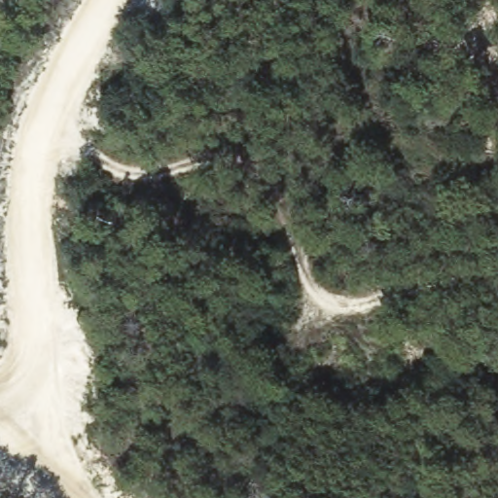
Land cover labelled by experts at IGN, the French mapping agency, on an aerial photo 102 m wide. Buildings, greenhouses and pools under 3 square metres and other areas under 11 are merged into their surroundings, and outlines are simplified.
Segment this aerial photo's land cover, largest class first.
<instances>
[{"label":"coniferous trees","instance_id":"1","mask_svg":"<svg viewBox=\"0 0 498 498\"><path fill-rule=\"evenodd\" d=\"M80 0H0V136L8 123H12L16 107L14 91L18 84L23 82V76L19 72L21 62H25L27 58H35L41 51L51 49L54 43L60 41L64 21L72 18ZM484 2H490L496 10V21L484 29H469L467 19L475 18L482 10ZM113 53L119 54L121 64L117 66L111 78L97 80L101 97L99 105L95 107L99 121L113 126L115 130H130L134 134V142H138L144 156L154 152L160 144L165 148H173L179 140H200L204 148L200 150L195 161H198V169L187 173L171 175L169 169L161 167L154 173H144L140 179H117L103 169L97 156L80 158L74 173L66 175L62 181L76 191V198L82 202L80 216L84 228H80L76 233H66L54 245L56 251L70 259V270L74 272V286H89L97 302L105 300L107 307H101L99 315H111L119 321V327L105 329L101 333L103 337L109 338L111 344H105L95 358L93 364L99 370L109 373L113 381L109 385H101L99 389L86 393L82 410H86L91 416V422L86 424L88 445L91 449L99 451V463L111 469L113 473L117 471L124 480L138 482L142 486V492L150 498H498V0H126L117 16V25L111 31V39L107 43ZM292 247L305 249L313 280L323 290L350 298H364L372 292H381V303L387 309V323L391 325V329L399 335L409 337L410 342L422 350L420 360L432 370L428 373L424 381L426 385L422 389H397L385 405L368 407L364 403H358L356 409L354 405L340 407L331 399H327L325 393L302 395L286 387L274 385V362L270 360L267 350H259L255 346L253 338L263 333L267 325H272L280 331L282 323L294 325L302 315L303 288L298 276L296 257L292 255Z\"/></svg>","mask_w":498,"mask_h":498},{"label":"pervious surface","instance_id":"2","mask_svg":"<svg viewBox=\"0 0 498 498\"><path fill-rule=\"evenodd\" d=\"M126 0H80L72 18L64 21L60 41L54 43L51 49L41 51L35 58H27L25 62H21L19 72L23 76V82L18 84L14 91L16 107L12 123H8L0 136V498H130L117 490L113 473L111 469L99 463V451L91 449L88 445L86 424L91 422V416L86 410H82L86 393L89 368L93 364L95 358L86 342L84 331L80 329L76 309L68 307V298L60 288L56 251L54 245L53 212L56 208H64L66 200L62 196L54 195V177L66 175L74 173L80 158V150L84 146L82 130L97 128L99 121L95 107H86L84 97L91 82L97 80L111 78L117 66L121 64L119 54L113 53L107 43L111 39V31L117 25V16ZM103 169L117 179H140L144 173L140 167L124 165L109 158L107 154L97 156ZM198 169V161H195L189 158L173 161L169 169L171 175L187 173ZM292 255L296 257L298 276L303 288L302 315L294 325L296 331L305 329L307 325L323 327L335 315L366 313L381 303V292H372L364 298H350L323 290L313 280L305 249L292 247Z\"/></svg>","mask_w":498,"mask_h":498},{"label":"herbaceous vegetation","instance_id":"3","mask_svg":"<svg viewBox=\"0 0 498 498\"><path fill-rule=\"evenodd\" d=\"M101 97L97 80L91 82L84 97L86 107H95L99 105ZM84 146L80 150V158L97 156L107 154L109 158L124 165L140 167L144 173H154L161 167L169 169L173 161L189 158L195 161L200 150L204 148L200 140H179L173 148H165L160 144L154 152L144 156L138 142H134V134L130 130H115L113 126L99 121L97 128L82 130ZM66 175L54 177V195L62 196L66 200L64 208H56L53 212L54 245L66 233H76L80 228H84L80 216L82 202L76 198V191L62 181ZM60 288L68 298V307L76 309L80 329L84 331L86 342L95 358L105 344H111L109 338L103 337L101 333L105 329L119 327V321L111 315H99L101 307H107L105 300L97 302L89 286H74V272L70 270V259L56 251ZM255 346L259 350H267L270 360L274 362V385L286 387L302 395L325 393L327 399H331L340 407L354 405L356 409L358 403H364L368 407L385 405L397 389H422L426 385L424 381L428 373L432 370L420 360L422 350L410 342L409 337L399 335L391 329V325L387 323V309L381 303L366 313L335 315L323 327L307 325L305 329L296 331L294 325L282 323L280 331L272 325H267L263 333L253 338ZM113 381L109 373L99 370L93 364L89 368L86 393L99 389L101 385H109ZM117 490L130 498H150L142 492V486L138 482L124 480L117 471L113 473Z\"/></svg>","mask_w":498,"mask_h":498},{"label":"bare soil","instance_id":"4","mask_svg":"<svg viewBox=\"0 0 498 498\"><path fill-rule=\"evenodd\" d=\"M496 21V10L490 2H484L482 10L475 18L467 19L469 29H484Z\"/></svg>","mask_w":498,"mask_h":498}]
</instances>
